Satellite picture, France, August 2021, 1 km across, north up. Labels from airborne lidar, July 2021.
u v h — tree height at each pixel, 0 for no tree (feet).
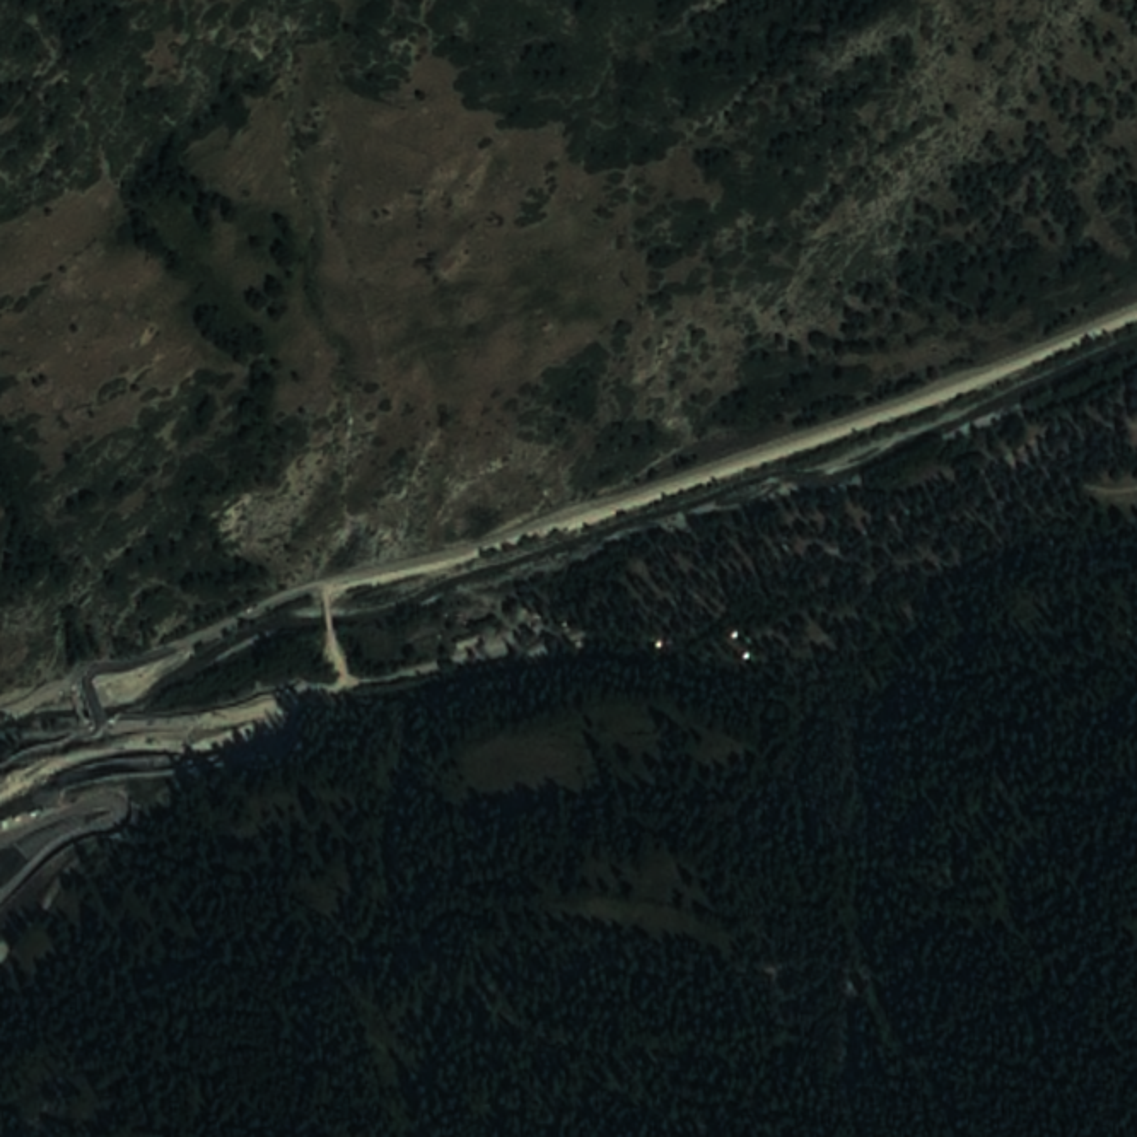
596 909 0
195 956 39
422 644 0
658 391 0
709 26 39
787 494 0
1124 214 0
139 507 0
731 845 66
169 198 23
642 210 0
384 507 0
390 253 0
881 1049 57
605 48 0
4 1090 85
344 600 0
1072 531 46
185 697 27
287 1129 46
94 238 0
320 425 0
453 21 0
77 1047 71
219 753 0
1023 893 59
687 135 0
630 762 66
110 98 0
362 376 0
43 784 0
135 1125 35
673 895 0
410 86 0
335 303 0
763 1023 42
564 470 0
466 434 0
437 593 0
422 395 0
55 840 0
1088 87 29
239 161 0
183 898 18
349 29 47
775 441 0
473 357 0
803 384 60
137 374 0
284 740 0
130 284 0
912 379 34
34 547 62
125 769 0
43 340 0
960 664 94
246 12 0
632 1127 55
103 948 90
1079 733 31
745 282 0
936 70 0
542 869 55
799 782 43
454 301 0
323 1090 82
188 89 0
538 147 0
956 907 43
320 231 0
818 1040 45
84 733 0
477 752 0
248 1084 54
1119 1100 56
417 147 0
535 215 0
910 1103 44
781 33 54
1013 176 57
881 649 46
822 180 0
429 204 0
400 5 0
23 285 0
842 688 45
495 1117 0
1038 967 60
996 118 0
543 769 0
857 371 0
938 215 58
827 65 0
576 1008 93
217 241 0
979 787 90
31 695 0
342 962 85
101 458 0
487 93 0
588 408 0
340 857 73
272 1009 49
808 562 31
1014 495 49
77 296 0
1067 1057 56
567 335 0
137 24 0
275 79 0
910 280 74
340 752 92
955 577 37
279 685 0
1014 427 52
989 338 0
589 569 35
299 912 43
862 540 57
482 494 0
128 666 0
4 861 0
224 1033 47
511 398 0
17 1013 59
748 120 0
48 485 0
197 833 43
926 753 72
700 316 0
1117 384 34
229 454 0
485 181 0
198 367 0
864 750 51
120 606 0
